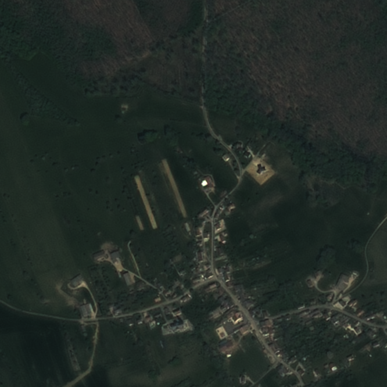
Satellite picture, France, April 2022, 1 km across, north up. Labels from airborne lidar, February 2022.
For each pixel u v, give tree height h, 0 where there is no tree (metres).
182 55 0
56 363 0
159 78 0
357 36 18
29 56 20
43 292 0
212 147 0
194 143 0
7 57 10
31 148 0
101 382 0
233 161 0
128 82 24
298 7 24
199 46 28
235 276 0
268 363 0
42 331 0
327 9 24
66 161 0
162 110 0
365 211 0
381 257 0
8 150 0
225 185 0
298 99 20
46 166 0
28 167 0
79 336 0
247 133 0
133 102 0
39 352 0
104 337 0
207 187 0
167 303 0
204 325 6
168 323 0
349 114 25
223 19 22
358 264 0
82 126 0
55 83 0
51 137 0
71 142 0
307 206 0
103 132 0
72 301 0
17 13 13
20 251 0
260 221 0
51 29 11
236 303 0
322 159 26
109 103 0
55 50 8
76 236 0
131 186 0
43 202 0
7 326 0
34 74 0
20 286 0
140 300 9
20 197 0
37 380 0
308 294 0
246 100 24
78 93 0
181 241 0
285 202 0
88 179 0
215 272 0
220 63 27
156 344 0
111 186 0
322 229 0
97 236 0
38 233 0
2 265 0
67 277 0
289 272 0
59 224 0
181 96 22
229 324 0
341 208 0
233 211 6
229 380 13
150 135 22
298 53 24
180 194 0
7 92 0
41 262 0
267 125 29
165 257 0
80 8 21
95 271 7
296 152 21
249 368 0
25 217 0
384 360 0
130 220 0
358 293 0
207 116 0
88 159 0
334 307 0
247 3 24
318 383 8
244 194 0
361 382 0
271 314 0
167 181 0
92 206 0
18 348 0
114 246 0
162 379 0
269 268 0
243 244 7
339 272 0
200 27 24
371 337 0
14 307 0
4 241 0
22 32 13
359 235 0
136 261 0
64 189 0
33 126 0
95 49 19
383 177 25
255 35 26
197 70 0
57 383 0
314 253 0
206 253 0
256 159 0
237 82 30
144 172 0
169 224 0
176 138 21
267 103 29
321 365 0
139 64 27
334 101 22
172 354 0
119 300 10
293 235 0
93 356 0
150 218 0
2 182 0
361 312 0
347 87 21
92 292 0
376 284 0
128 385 0
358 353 0
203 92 0
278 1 27
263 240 0
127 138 0
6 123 0
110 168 0
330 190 0
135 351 0
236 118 19
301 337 6
